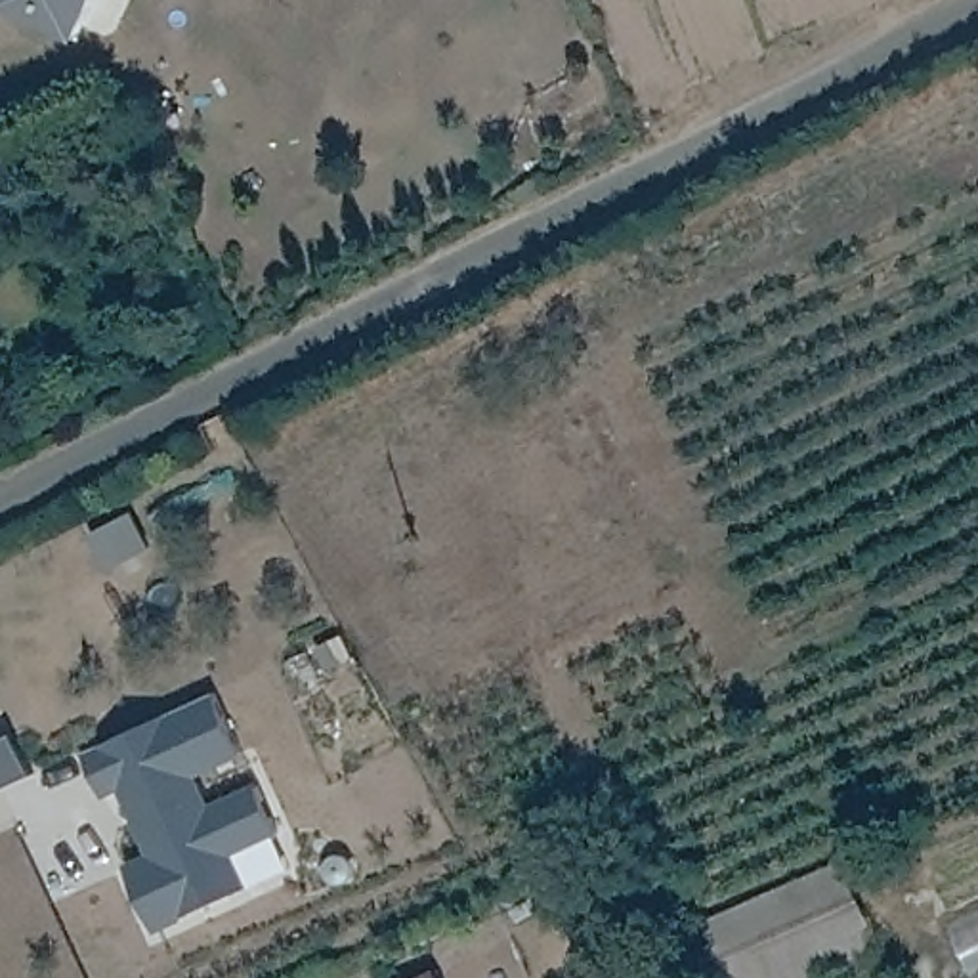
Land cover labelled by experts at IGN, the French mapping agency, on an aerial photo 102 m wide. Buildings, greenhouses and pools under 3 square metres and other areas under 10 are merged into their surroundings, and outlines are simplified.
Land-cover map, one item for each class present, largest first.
<instances>
[{"label":"herbaceous vegetation","instance_id":"1","mask_svg":"<svg viewBox=\"0 0 978 978\"><path fill-rule=\"evenodd\" d=\"M122 23L107 38H76L69 46L46 50L42 34L23 31L8 15L0 19V111L27 103L53 80L76 73H103L118 80V99H149L160 92L168 134L134 153L130 164L134 172H172L183 183V191L202 195L199 218L176 233L180 248L206 245L214 256L225 248V241L241 245V275L218 283L229 298H237L248 287H264V275L279 283L302 275V267L332 260L340 248L378 241L382 233H390L382 218L390 210L413 218L424 214L432 225L447 222L451 206L443 199L458 195L478 176L470 160L478 145H512V164L527 172L539 164L542 138L565 134L569 118H585L607 99L600 69L585 61V46L569 34V0H118ZM355 153L363 157V180L355 187V199L340 202V195L317 180V157L340 160ZM925 19V8L917 0H871L860 11V23H802L783 27L776 34H768L764 27L753 34L760 42V57H734L718 65L711 84L688 88L676 111L642 107L646 126L657 118L661 130H680L684 141H691L699 134L718 138L722 122L730 118L760 122L764 115L795 103V88L810 84L814 76H825L833 84L829 73L840 61ZM844 237H863L867 248L856 252L840 271H818L814 256ZM810 290H837V302L798 313L795 321H783L772 332L749 340V348L722 351L676 374L672 382H653L657 367L680 359L684 351L707 340L741 332L745 325L768 317L787 302L806 298ZM730 294H745V306L737 313H718L711 325L695 329L684 321L691 309L707 302H726ZM978 294V65L959 69L951 76H936L925 92L902 96L898 103L867 115L840 141L818 145L795 157L791 164L726 191L718 202L691 210L680 229L653 233L630 252H607L604 260L577 264L573 271L539 283L531 294L504 302L474 325L455 329L439 344L409 351L382 374L336 390L332 397L279 424L275 443H237L222 416L206 428L210 451L195 466H183L191 481L164 493L176 504H206V523L214 531L210 569L183 573L160 558V523L149 504L111 508L103 516H92V527H107L122 516L130 520L134 535H141L145 550L122 565L99 569L88 546L92 527H69L65 535L46 539L31 550L8 558L0 554V718H8L15 730L42 734L57 730L69 718L92 714L103 718L92 741L99 745L218 688L229 711V726L241 737V749H260V760L271 772V787L283 798L294 837L317 829L325 844L344 840L351 848V860L340 863L351 875V882L332 886L329 894L283 913H271L264 898H252L248 905L214 917L202 928L160 947H149L141 940V932L149 928L126 894L122 871L73 898H53L42 879V867L34 863L27 833L0 825V978H191L206 974L222 959L256 951L283 932L309 928L313 921L344 909L355 921L351 928L313 936L237 978H256L317 947H344L363 940L382 913H397L409 905L405 894L420 882H436L443 871L466 863L470 856L508 844L516 821L508 829L485 833V825L455 814V802L466 795L458 768L478 772L481 760L474 741L485 737L481 718L516 714L520 730L554 722L558 734L585 745L600 734L592 714L596 703L619 711L623 691H638L653 672L669 669H691L699 691L730 684L726 711H760L764 691L802 680L798 669L787 661L795 649L844 634L860 623L867 607H902L936 592L940 585L959 581L967 573V562L955 554L940 569L921 573L902 588L890 585L882 592H867L863 585L882 565L978 523V500L913 539H898L890 546L863 554L840 581L802 588L791 604L768 615L749 611V596L760 585L791 581L802 569L833 562L837 554L852 550L860 539L875 531L913 523L928 508L978 485V458L959 466L947 481L913 493L909 504L867 512L837 535L791 546L779 565L772 562L764 569L730 573V562L783 539L787 531L825 523L856 500L886 493L905 478L928 474L944 466L955 451L978 443V428L947 436L925 458L894 462L806 512L783 516L768 531L730 539L726 531L730 523H753L768 508L840 478L852 466L871 462L882 451L909 447L940 424L978 413V390L944 405L940 413L905 424L902 432L882 436L879 424L978 374V359L921 378L917 386L898 390L894 397L863 413H852L829 428L798 436L779 451L749 455L734 470L718 474L711 489H695V478L745 439L783 432L810 413L867 393L886 378H898L913 363L947 355L978 340V309L959 317L955 329H944L940 336H925L917 344L898 348L894 359H882L867 371H848L844 378H829L806 393L783 397L768 416L734 428L718 443L703 447L695 458L676 455V439L718 424L726 413L753 405L787 378L818 371L821 363L840 359L848 351H863L867 344H886L894 332L917 321H932L947 313L959 298ZM875 302H894L898 317L848 332L825 348H814L810 355L779 359L776 348L791 344L795 336H810L821 325L852 317ZM539 340L581 348L569 382L562 386V393L535 397L527 409H516L512 420H489L481 413V397H474L470 386L489 374H516ZM703 382H718L722 397H711V409L680 413L676 420H669V401L699 393ZM852 432H867V447H856L795 481L772 485L760 497L730 504L714 520H707L703 508L711 497L741 489L764 470H783L802 455L825 451L829 443ZM233 489H245V493H256V497L271 500V504H275V508H271V516H267V520H233V512H229V504H233ZM260 577L267 585L294 581L309 592V607L264 619ZM180 592H191V604L199 607L233 604L229 642L214 649L176 653L172 661H122V623H172L180 611ZM669 611H680V615H684V623H680L676 630H661V634H649V638H623V634H619V627H623V623H638V619H661V615H669ZM313 619L344 623L359 634L367 653L355 661L348 657V661H332V649H329V642H313L302 649V657L283 661L287 630ZM76 661L88 669L103 665L99 684L88 695H65L61 688L65 672ZM38 290L23 283L19 271H0V351L15 344L19 329L34 321ZM978 634V619L928 634L925 642H913L902 653L860 672H844L837 680H829V672H818L814 691L768 707L772 722H779L829 695L890 676L902 665L928 657L932 649ZM978 665V653L940 661L898 688L875 691L852 707L802 722L779 737L749 730L741 753L653 791V802L661 806L665 798L703 787L722 772L776 756L798 745L802 737L829 734L844 722L894 707L902 695L932 688ZM959 699H978V684L947 691L928 707H913L894 722H879L852 737V749H860L875 737L940 718L944 711L959 707ZM867 772L833 791V821L840 829L898 818L905 810L936 821L978 810V714L959 718L955 726L917 737L902 749L863 756ZM730 745L726 734H711L688 749L634 764L627 779H649L665 768L688 764L691 756ZM829 867L810 844L791 860L734 879L722 886V894H707L703 905H691V917H703L711 925V917L718 913H730L760 894H772Z\"/></svg>","mask_w":978,"mask_h":978},{"label":"deciduous trees","instance_id":"2","mask_svg":"<svg viewBox=\"0 0 978 978\"><path fill-rule=\"evenodd\" d=\"M978 65V38L932 57L921 69L902 73L890 88H871L856 99L833 103L825 118H814L764 149L726 157L711 180L688 183L684 191L661 199L653 210H634L573 245H562L542 264L504 275L474 302L405 325L390 332L378 348L355 351L348 363L329 367L325 374L290 382L275 397L252 401L222 416L237 443H275L279 424L332 397L336 390L382 374L409 351L439 344L455 329L474 325L504 302L531 294L539 283L573 271L577 264L604 260L607 252H630L653 233L680 229L691 210L718 202L726 191L791 164L795 157L818 145L840 141L867 115L898 103L902 96L925 92L936 76H951L959 69ZM118 80L103 73H76L53 80L27 103L0 111V271H19L23 283L38 290L34 321L19 329L15 344L0 351V462L15 466L53 443L80 436V428L99 413H130L160 397L180 378H191L214 367L218 359L241 351L245 344L271 332H287L309 306L344 298L348 290L390 275L401 264L428 260L432 248L497 218L512 195H546L585 172L573 157L581 134H565L542 138L539 164L527 172L512 164V145H478L470 160L478 176L458 195L443 199L451 206L447 222L432 225L424 214L413 218L390 210L382 218L390 233H382L378 241L340 248L332 260L302 267V275L279 283L264 275V287H248L237 298H229L218 283L241 275V245L225 241V248L214 256L206 245L180 248L176 233L199 218L202 195L183 191V183L172 172H134L130 164L134 153L168 134L160 92L149 99H118ZM867 248L863 237H844L814 256L818 271H840L856 252ZM837 302V290H810L806 298L787 302L768 317L745 325L741 332L707 340L684 351L680 359L657 367L653 382H672L676 374L722 351L749 348V340L772 332L783 321H795L798 313ZM745 306V294H730L726 302H707L691 309L684 321L695 329L711 325L718 313H737ZM978 309V294L959 298L947 313L932 321H917L894 332L886 344H867L863 351H848L840 359L821 363L818 371L787 378L753 405L726 413L718 424L676 439V455L695 458L703 447L718 443L734 428L768 416L783 397L806 393L829 378H844L848 371H867L882 359H894L898 348L917 344L925 336H940L944 329H955L959 317ZM898 317L894 302H875L852 317L821 325L810 336H795L791 344L776 348L779 359L810 355L814 348H825L848 332ZM581 348L539 340L516 374H489L470 386L474 397H481V413L489 420H512L516 409H527L535 397L562 393V386L569 382ZM978 359V340L947 355L913 363L898 378H886L867 393L810 413L783 432L745 439L695 478V489H711L718 474L734 470L749 455L779 451L798 436L829 428L852 413H863L894 397L898 390L917 386L921 378ZM978 390V374L879 424L882 436L902 432L905 424L940 413L944 405ZM711 397H722L718 382H703L699 393L669 401V420H676L680 413L711 409ZM978 428V413L940 424L909 447L882 451L871 462L852 466L840 478L768 508L753 523H730L726 531L730 539L768 531L783 516L806 512L894 462L925 458L947 436ZM210 451L206 428L172 436L157 455L130 458L111 474L96 478L92 485L73 489L53 504L0 527V554L8 558L31 550L46 539L65 535L69 527H92V516H103L111 508L149 504L160 523V558L183 573L210 569L214 531L206 523V504H176L164 493L191 481L183 466H195ZM856 447H867V432H852L829 443L825 451L802 455L783 470H764L741 489L711 497L703 508L707 520H714L730 504L760 497L772 485L795 481ZM978 458V443L955 451L944 466L928 474L905 478L886 493L856 500L825 523L787 531L783 539L730 562V573L764 569L772 562L779 565L791 546L837 535L867 512L909 504L913 493L947 481L959 466ZM978 500V485L928 508L913 523L875 531L860 539L852 550L837 554L833 562L802 569L791 581L760 585L749 596V611L768 615L791 604L802 588L840 581L863 554L890 546L898 539H913ZM271 508H275V504H271V500L256 497V493H245V489H233V504H229V512H233V520H267V516H271ZM955 554L967 562V573L959 581L940 585L936 592L902 607H867L860 623L844 634L795 649L787 661L798 669L802 680L764 691L760 711H726L730 684L699 691L691 669H669L653 672L638 691H623L619 711L596 703L592 714L600 734L585 745L558 734L554 722L520 730L516 714L481 718L485 737L474 741L481 760L478 772L458 768L466 795L455 802V814L485 825V833L508 829L516 821L508 844L470 856L466 863L443 871L436 882H420L405 894L409 905L397 913H382L363 940L344 947H317L256 978H390L401 963L432 959L436 932L485 921L493 913V902L531 905L539 925L558 928L565 936V963L546 978H730L711 951V925L703 917H691V905H703L707 894H722V886L734 879L791 860L810 844L829 867L837 871V882L844 890H856L871 902L890 882L913 890L921 848L932 844L936 821L905 810L898 818L840 829L833 821V791L867 772L863 756L902 749L917 737L955 726L959 718L978 714V699H959V707L944 711L940 718L875 737L860 749H852V737L879 722H894L913 707H928L947 691L978 684V665L932 688L902 695L894 707L844 722L829 734L802 737L798 745L776 756L722 772L703 787L665 798L661 806L653 802V791L741 753L749 730L779 737L802 722L852 707L875 691L898 688L940 661L978 653V634L932 649L928 657L902 665L890 676L829 695L779 722H772L768 707L814 691L818 672H829V680H837L844 672H860L902 653L913 642H925L928 634L978 619V523L882 565L863 585L867 592H882L890 585L902 588L921 573L940 569ZM711 734H726L730 745L691 756L688 764L665 768L649 779H627L634 764L688 749ZM309 607V592L294 581L267 585L260 577L264 619ZM233 604L199 607L191 604V592H180V611L172 623H122V661H172L176 653L214 649L229 642ZM680 623H684V615H680V611H669V615H661V619H638V623H623V627H619V634H623V638H649V634H661V630H676ZM103 665L88 669L76 661L65 672L61 688L65 695H88L99 684ZM103 718L92 714L69 718L57 730L42 734L15 730L34 772H46L61 760H80L84 745L92 741ZM355 921L344 909L313 921L309 928L283 932L256 951L222 959L206 974L191 978H237L313 936L351 928ZM806 978H917L913 951L879 921L867 928L860 951H829L810 959Z\"/></svg>","mask_w":978,"mask_h":978},{"label":"impervious surface","instance_id":"3","mask_svg":"<svg viewBox=\"0 0 978 978\"><path fill-rule=\"evenodd\" d=\"M122 23L118 0H84L80 15L73 19L76 38H107ZM925 8V19L840 61L829 73L833 84L825 76H814L810 84L795 88V103L764 115L760 122L730 118L722 122L718 138L699 134L691 141H684L680 130H661L657 118L646 126V145L627 149L611 164L585 172L546 195H512L497 218L432 248L428 260L401 264L390 275L348 290L344 298L309 306L287 332H271L245 344L241 351L218 359L214 367L191 378H180L160 397L130 413H99L80 428V436L53 443L15 466L0 462V527L53 504L73 489L92 485L96 478L111 474L130 458L157 455L172 436L206 428L222 416L252 401L275 397L290 382L325 374L329 367L348 363L355 351L378 348L390 332L405 325L474 302L504 275L542 264L562 245H573L634 210H653L661 199L684 191L688 183L711 180L726 157L764 149L814 118H825L833 103L856 99L871 88H890L902 73L921 69L932 57L978 38V0H917ZM111 768L99 745L92 741L84 745L80 760H61L46 772H34L0 787V825L27 833L34 863L42 867V879L53 898H73L122 871L126 818L118 810V798L96 795L88 787L92 772ZM202 802L260 783L275 814V833L233 856V871L241 879L233 894L202 909H191L168 928H149L141 932V940L149 947H160L202 928L214 917L248 905L252 898H264L271 913H283L329 894L332 886L351 882V875L340 863L351 860V848L344 840L325 844L317 829L294 837L283 798L271 787V772L260 760V749H241L237 756L202 772Z\"/></svg>","mask_w":978,"mask_h":978},{"label":"building","instance_id":"4","mask_svg":"<svg viewBox=\"0 0 978 978\"><path fill-rule=\"evenodd\" d=\"M84 0H0V19L8 15L23 31L42 34L46 50L69 46L76 38L73 19L80 15ZM88 546L99 569L122 565L145 550L141 535H134L130 520L122 516L107 527H92ZM329 649H332V661H348V657L344 642H336V638H332V642H329ZM111 768L92 772L88 787L96 795L118 798V810L126 818L122 871L126 894L149 928H168L191 909H202L233 894L241 879L233 871V856L275 833V814L260 783L202 802V772L237 756L241 749V737L229 726V711L218 688L99 745ZM34 772L15 730L8 718H0V787ZM879 921L871 902L856 890H844L837 882V871L829 867L772 894H760L730 913H718L711 917V951L730 978H806L810 959L829 951H860L867 928Z\"/></svg>","mask_w":978,"mask_h":978},{"label":"agricultural land","instance_id":"5","mask_svg":"<svg viewBox=\"0 0 978 978\"><path fill-rule=\"evenodd\" d=\"M871 0H607V46L615 53L619 76L630 80L642 107L676 111L688 88L711 84L718 65L734 57H760V42L753 34L764 27L768 34H776L783 27L802 23H860V11ZM879 921L913 951L917 978H967L955 951L978 940V810L936 821L932 844L921 848L913 890L890 882L871 902Z\"/></svg>","mask_w":978,"mask_h":978},{"label":"brushwood","instance_id":"6","mask_svg":"<svg viewBox=\"0 0 978 978\"><path fill-rule=\"evenodd\" d=\"M607 0H569V34L585 46V61L600 69L607 99L585 118H569L565 134H581L573 157L585 172L611 164L627 149L646 145V126L642 107L630 80L619 76L615 53L607 46ZM332 638H336V642H344L348 657L355 661L367 653L359 634L344 623L313 619L287 630L283 661L302 657V649L313 642H332Z\"/></svg>","mask_w":978,"mask_h":978},{"label":"pervious surface","instance_id":"7","mask_svg":"<svg viewBox=\"0 0 978 978\"><path fill-rule=\"evenodd\" d=\"M565 936L558 928L539 925L531 905L493 902V913L485 921L436 932L432 959L401 963L390 978H546L565 963Z\"/></svg>","mask_w":978,"mask_h":978},{"label":"coniferous trees","instance_id":"8","mask_svg":"<svg viewBox=\"0 0 978 978\"><path fill-rule=\"evenodd\" d=\"M317 180L340 195V202L355 199V187L363 180V157L355 153L340 160L317 157Z\"/></svg>","mask_w":978,"mask_h":978},{"label":"greenhouse","instance_id":"9","mask_svg":"<svg viewBox=\"0 0 978 978\"><path fill-rule=\"evenodd\" d=\"M967 978H978V940L955 951Z\"/></svg>","mask_w":978,"mask_h":978}]
</instances>
